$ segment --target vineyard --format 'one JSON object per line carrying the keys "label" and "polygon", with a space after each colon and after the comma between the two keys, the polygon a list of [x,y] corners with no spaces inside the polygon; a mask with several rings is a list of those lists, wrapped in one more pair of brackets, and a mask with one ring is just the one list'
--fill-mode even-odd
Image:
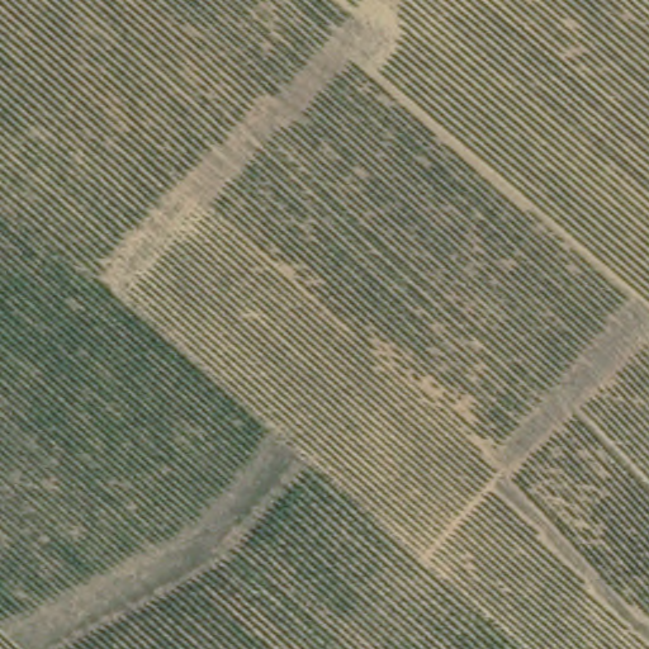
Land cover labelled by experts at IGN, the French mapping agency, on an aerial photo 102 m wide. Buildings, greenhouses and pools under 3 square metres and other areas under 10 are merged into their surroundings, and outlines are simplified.
{"label": "vineyard", "polygon": [[0,0],[0,649],[649,649],[649,0]]}

